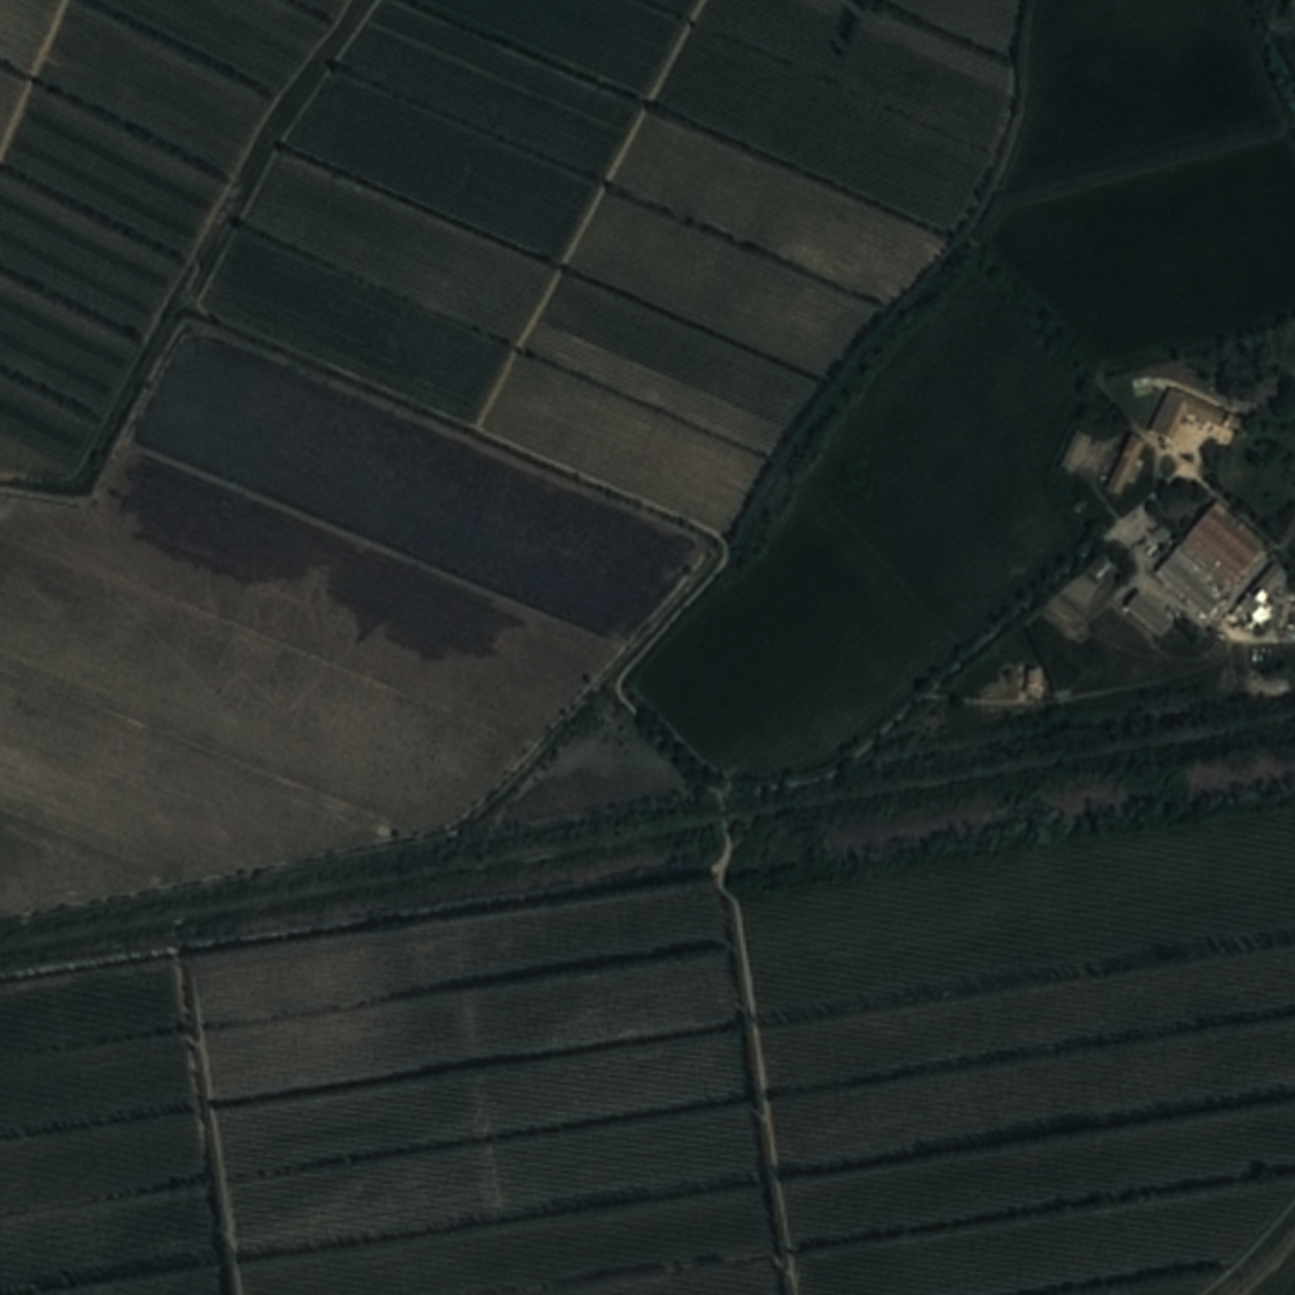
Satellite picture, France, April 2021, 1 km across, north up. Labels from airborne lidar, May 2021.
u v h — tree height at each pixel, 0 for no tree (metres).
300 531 0
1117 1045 14
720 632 0
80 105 12
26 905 0
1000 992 25
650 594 0
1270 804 11
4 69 11
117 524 0
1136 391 0
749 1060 17
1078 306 0
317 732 0
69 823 0
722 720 0
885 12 17
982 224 7
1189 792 9
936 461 0
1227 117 0
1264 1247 0
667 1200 16
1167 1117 9
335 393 0
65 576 0
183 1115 14
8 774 0
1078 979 21
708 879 24
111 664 0
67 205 11
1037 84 0
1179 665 0
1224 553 0
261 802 0
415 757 0
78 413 13
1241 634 0
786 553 0
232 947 9
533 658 0
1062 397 0
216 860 0
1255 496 0
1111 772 10
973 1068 15
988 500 0
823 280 8
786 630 0
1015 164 0
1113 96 0
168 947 0
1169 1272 8
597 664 0
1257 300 0
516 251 13
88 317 12
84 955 7
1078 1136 28
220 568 0
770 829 9
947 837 11
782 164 10
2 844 0
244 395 0
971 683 0
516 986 12
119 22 13
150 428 0
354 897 6
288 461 0
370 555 0
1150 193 0
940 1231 10
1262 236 0
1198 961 25
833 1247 14
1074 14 0
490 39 7
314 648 0
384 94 11
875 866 10
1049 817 19
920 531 0
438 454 0
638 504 9
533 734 0
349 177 12
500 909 11
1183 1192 13
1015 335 0
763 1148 16
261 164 0
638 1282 13
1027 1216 12
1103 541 7
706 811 8
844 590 0
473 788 0
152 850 0
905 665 0
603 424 0
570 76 12
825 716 0
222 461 0
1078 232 0
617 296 11
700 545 0
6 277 13
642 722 10
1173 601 0
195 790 0
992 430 0
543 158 9
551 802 0
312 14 11
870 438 0
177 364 0
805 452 13
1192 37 0
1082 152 0
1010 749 6
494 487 0
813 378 5
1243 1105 8
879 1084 13
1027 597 11
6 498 0
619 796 0
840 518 0
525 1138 12
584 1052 9
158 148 14
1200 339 0
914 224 7
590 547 0
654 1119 11
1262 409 7
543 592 0
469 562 0
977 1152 22
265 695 0
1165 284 0
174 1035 7
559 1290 12
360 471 0
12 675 0
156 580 0
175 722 0
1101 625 0
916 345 0
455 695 0
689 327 9
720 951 15
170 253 9
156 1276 23
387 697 0
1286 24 6
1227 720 9
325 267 8
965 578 0
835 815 9
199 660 0
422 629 0
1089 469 0
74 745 0
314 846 0
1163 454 0
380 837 0
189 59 14
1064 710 6
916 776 7
